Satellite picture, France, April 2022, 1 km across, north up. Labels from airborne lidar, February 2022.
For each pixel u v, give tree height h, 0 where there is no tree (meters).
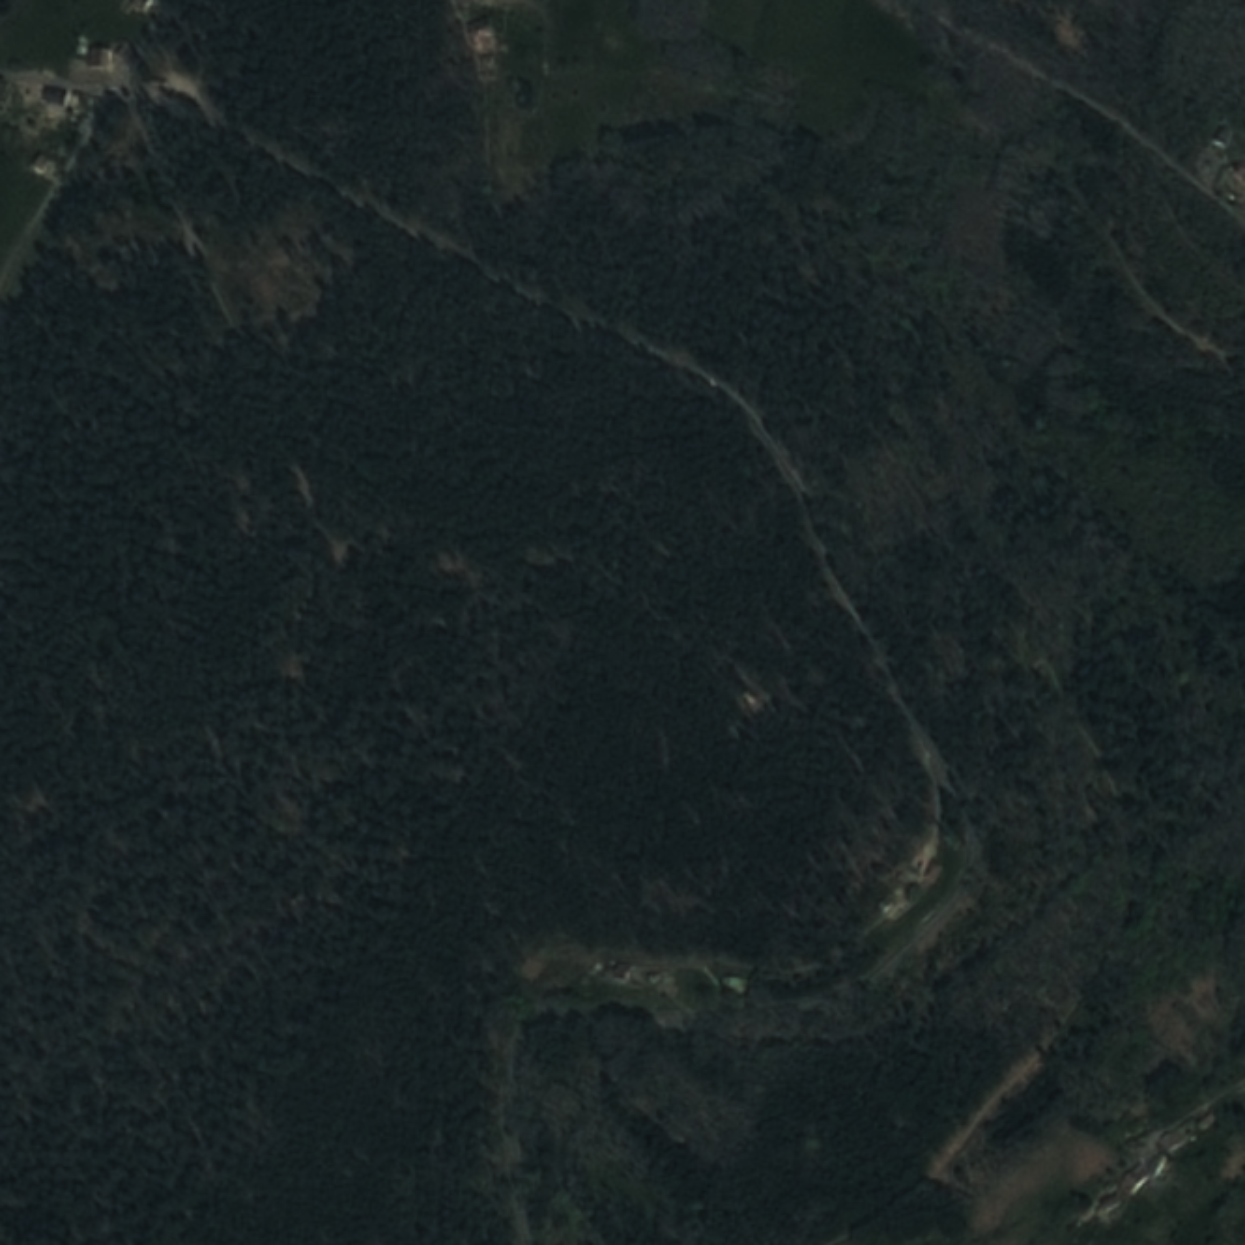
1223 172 0
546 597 29
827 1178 30
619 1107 26
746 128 24
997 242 19
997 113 31
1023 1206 0
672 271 30
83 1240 12
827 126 0
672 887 19
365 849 13
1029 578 28
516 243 23
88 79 0
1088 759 31
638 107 0
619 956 16
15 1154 28
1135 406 23
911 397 27
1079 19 34
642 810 22
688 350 31
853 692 27
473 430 30
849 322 30
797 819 24
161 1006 35
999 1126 28
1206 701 28
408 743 19
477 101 23
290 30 25
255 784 22
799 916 24
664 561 23
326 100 25
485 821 28
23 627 32
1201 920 14
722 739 26
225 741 19
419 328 24
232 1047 20
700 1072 30
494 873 26
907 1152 29
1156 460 9
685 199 17
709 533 24
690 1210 26
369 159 27
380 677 19
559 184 19
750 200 26
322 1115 23
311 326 0
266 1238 20
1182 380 21
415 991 23
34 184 0
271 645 32
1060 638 28
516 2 0
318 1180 23
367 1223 23
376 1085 19
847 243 20
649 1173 37
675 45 28
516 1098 23
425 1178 29
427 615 18
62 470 31
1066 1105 28
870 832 29
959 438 29
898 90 8
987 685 35
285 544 26
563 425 22
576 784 25
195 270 31
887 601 29
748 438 28
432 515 29
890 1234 27
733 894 19
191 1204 33
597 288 21
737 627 26
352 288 28
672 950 18
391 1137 25
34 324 28
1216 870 32
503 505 26
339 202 28
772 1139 24
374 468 31
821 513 26
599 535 20
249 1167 28
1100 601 31
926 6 30
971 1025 31
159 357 33
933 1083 38
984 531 23
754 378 29
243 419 30
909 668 26
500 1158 26
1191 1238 0
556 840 25
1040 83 21
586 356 24
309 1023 16
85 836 32
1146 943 13
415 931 28
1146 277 11
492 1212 32
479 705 32
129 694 28
